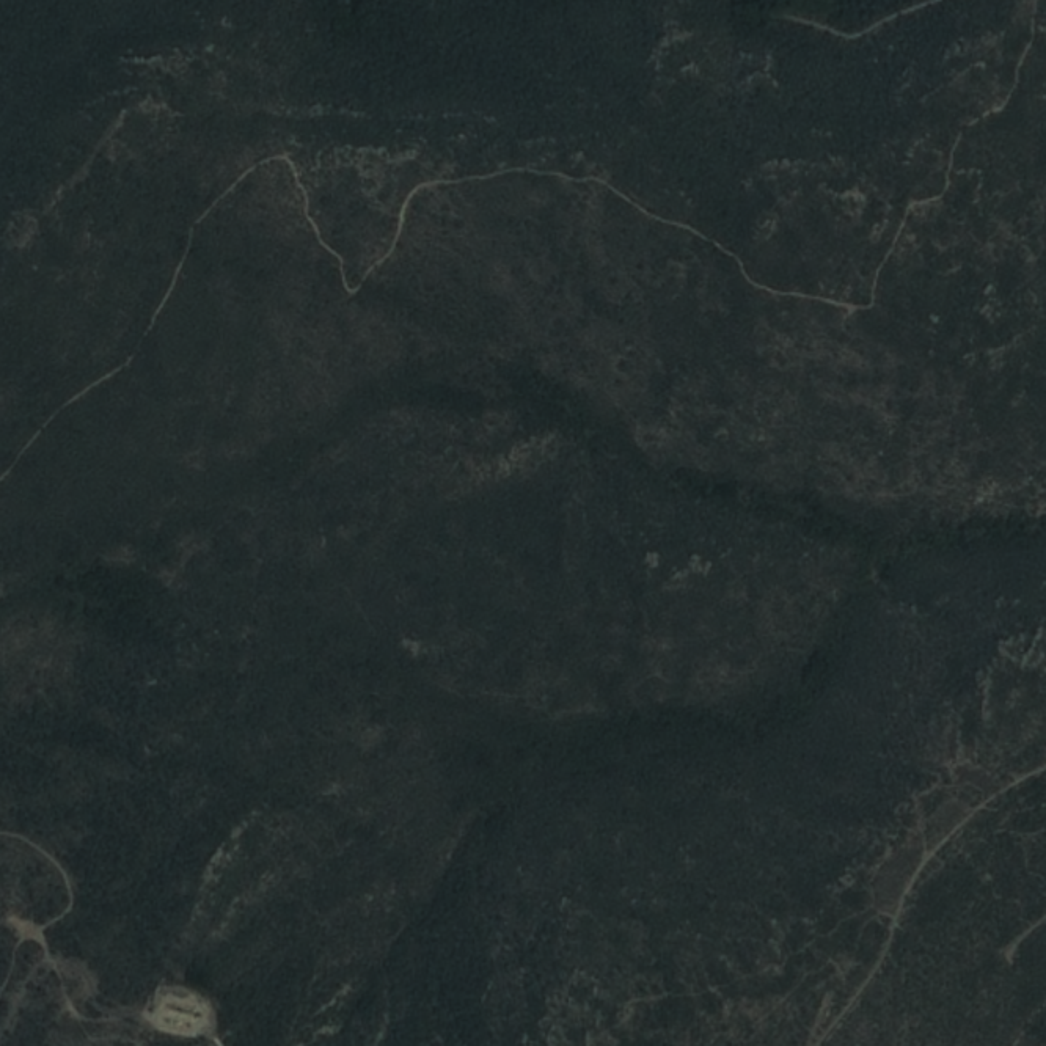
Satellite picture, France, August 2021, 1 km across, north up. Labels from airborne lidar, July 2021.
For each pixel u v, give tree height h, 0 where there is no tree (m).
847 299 0
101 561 6
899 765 5
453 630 0
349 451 0
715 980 0
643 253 0
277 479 6
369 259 0
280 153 0
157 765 6
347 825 6
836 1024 0
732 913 0
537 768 6
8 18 6
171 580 0
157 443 0
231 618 0
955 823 0
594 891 0
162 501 0
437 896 5
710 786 5
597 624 0
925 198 0
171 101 6
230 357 0
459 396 6
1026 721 0
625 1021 0
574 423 7
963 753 0
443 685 0
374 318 0
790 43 6
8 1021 0
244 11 7
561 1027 0
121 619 6
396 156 0
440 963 5
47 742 6
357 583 0
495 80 6
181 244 8
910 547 12
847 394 0
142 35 6
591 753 7
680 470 8
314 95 6
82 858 6
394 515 0
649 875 0
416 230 0
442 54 8
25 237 0
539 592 0
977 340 0
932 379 0
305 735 6
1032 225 5
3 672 0
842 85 6
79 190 5
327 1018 8
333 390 0
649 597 0
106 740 8
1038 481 11
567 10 7
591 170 0
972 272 7
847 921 0
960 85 0
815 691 8
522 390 6
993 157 6
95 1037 0
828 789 0
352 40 6
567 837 0
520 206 0
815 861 0
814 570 0
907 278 0
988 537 7
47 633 0
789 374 0
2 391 0
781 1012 0
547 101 6
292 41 6
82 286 5
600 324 0
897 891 0
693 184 5
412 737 0
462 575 0
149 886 5
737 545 0
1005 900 5
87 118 0
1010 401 0
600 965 0
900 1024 0
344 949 6
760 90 7
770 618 0
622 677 5
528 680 0
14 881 0
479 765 7
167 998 0
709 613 0
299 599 0
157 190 6
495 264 0
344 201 0
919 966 5
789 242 0
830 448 0
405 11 7
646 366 0
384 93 7
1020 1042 0
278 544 0
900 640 0
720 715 7
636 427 0
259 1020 7
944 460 7
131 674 6
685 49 7
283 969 6
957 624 5
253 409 0
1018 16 0
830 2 18
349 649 0
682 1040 0
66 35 6
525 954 5
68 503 0
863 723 0
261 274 6
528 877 0
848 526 6
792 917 0
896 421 0
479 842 6
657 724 7
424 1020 5
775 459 0
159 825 7
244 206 0
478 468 0
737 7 17
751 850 0
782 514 6
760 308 0
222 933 0
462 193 0
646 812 0
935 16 6
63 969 0
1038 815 6
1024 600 0
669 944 0
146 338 6
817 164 0
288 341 0
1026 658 0
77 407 6
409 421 0
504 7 6
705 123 5
